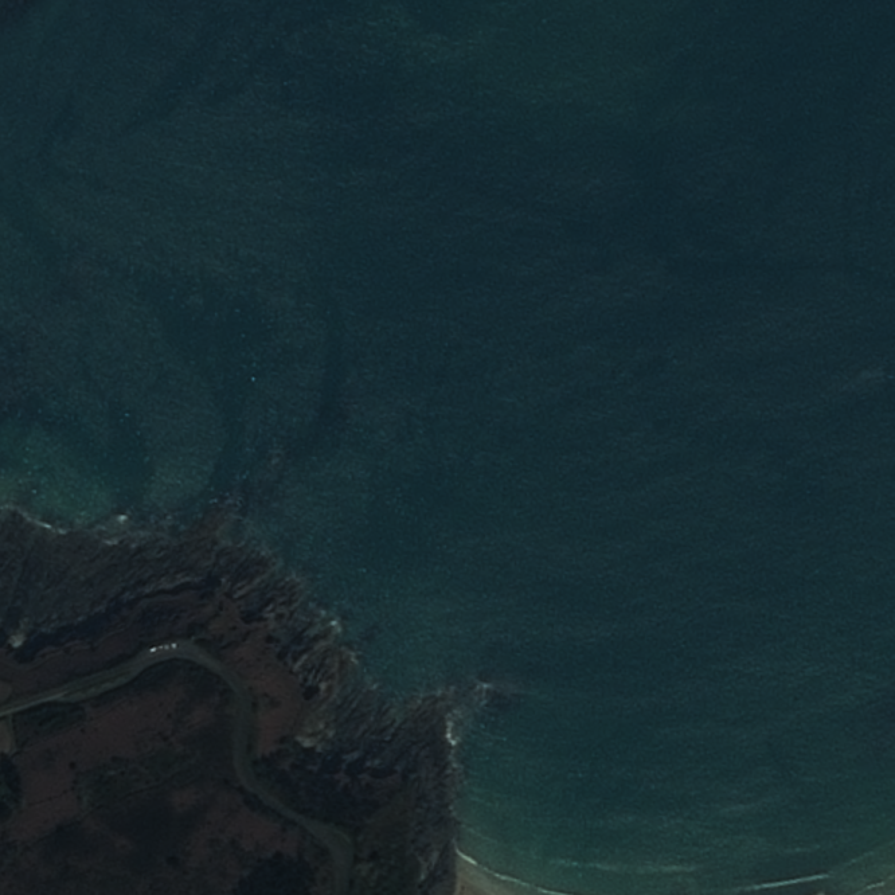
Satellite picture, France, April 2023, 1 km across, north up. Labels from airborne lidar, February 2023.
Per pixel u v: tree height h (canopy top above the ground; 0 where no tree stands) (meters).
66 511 0
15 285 0
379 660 0
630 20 0
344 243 0
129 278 0
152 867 0
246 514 0
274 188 0
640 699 0
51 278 0
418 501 0
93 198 0
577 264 0
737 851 0
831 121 0
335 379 0
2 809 14
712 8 0
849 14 0
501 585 0
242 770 0
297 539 0
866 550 0
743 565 0
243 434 0
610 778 0
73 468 0
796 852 0
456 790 0
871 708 0
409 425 0
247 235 0
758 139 0
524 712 0
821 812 0
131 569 0
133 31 0
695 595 0
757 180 0
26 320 0
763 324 0
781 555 0
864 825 0
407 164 0
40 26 0
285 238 0
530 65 0
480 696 0
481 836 0
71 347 0
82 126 0
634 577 0
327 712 0
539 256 0
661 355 0
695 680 0
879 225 0
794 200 0
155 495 0
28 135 0
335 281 0
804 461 0
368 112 0
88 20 0
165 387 0
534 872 0
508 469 0
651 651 0
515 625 0
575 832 0
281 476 0
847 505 0
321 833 0
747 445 0
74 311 0
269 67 0
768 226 0
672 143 0
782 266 0
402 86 0
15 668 0
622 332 0
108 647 0
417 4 0
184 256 0
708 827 0
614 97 0
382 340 0
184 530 0
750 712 0
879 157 0
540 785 0
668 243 0
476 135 0
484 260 0
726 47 0
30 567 0
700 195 0
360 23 0
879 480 0
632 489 0
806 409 0
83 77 0
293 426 0
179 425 0
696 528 0
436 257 0
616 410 0
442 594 0
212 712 0
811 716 0
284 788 15
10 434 0
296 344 0
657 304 0
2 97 0
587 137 0
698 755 0
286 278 0
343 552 0
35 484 0
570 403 0
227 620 0
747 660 0
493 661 0
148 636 0
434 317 0
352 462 0
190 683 0
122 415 0
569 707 0
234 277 0
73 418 0
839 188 0
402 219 0
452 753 0
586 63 0
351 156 0
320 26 0
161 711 0
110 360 0
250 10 0
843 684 0
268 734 0
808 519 0
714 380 0
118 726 0
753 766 0
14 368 0
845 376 0
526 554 0
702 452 0
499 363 0
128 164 0
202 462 0
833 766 0
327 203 0
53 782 0
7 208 0
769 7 0
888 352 0
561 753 0
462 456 0
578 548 0
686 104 0
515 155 0
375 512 0
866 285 0
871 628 0
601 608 0
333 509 0
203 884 0
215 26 0
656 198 0
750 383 0
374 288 0
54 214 0
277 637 0
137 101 0
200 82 0
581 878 0
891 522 0
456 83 0
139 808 0
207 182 0
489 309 0
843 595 0
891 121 0
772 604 0
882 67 0
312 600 0
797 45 0
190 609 0
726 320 0
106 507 0
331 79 0
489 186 0
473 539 0
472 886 0
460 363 0
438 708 0
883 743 0
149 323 0
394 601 0
